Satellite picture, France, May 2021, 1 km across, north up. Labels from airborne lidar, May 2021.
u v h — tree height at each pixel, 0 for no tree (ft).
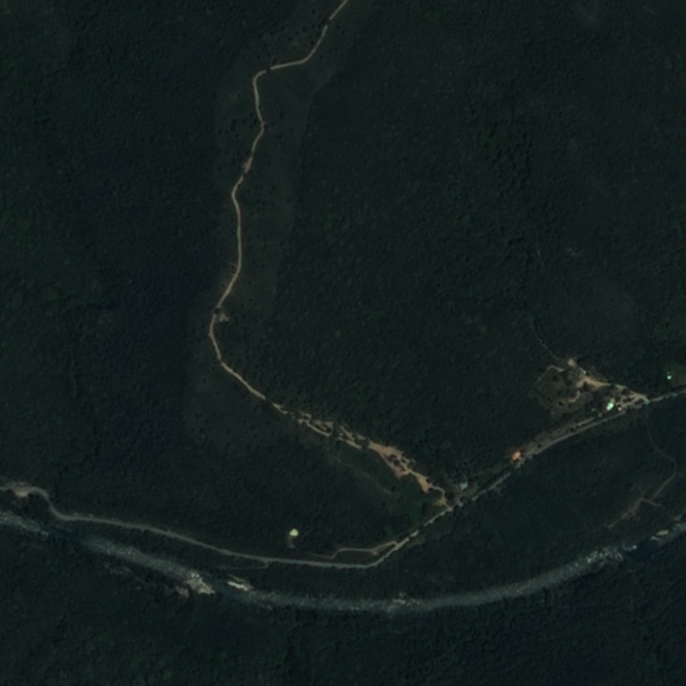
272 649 19
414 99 20
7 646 57
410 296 22
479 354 27
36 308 43
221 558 34
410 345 35
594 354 25
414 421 40
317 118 20
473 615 46
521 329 21
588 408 44
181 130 20
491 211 38
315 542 23
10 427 24
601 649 36
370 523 25
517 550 20
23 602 35
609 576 26
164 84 19
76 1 60
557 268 28
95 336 30
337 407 31
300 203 22
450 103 18
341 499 25
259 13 18
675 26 33
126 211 28
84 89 23
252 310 0
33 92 42
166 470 32
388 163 26
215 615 18
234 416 0
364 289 23
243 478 25
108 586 36
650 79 25
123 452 22
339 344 20
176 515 36
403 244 33
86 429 49
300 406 29
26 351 25
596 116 22
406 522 34
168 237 23
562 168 20
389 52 22
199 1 21
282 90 0
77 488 29
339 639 24
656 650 32
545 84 22
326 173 20
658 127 19
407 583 31
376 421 41
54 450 31
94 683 42
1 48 30
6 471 30
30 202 24
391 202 31
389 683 28
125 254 17
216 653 21
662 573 24
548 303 23
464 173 23
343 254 22
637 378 22
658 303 36
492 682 28
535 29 27
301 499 26
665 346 28
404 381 26
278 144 24
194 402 0
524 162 27
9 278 51
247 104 0
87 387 24
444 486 24
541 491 18
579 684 36
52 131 64
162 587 48
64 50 24
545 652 36
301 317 28
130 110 23
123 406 30
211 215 28
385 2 24
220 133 26
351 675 37
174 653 24
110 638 28
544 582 0
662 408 29
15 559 24
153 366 21
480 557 20
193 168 23
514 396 23
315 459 17
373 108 26
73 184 47
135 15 21
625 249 34
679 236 39
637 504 0
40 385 34
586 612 27
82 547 62
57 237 25
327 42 0
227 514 32
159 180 23
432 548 28
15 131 47
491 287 48
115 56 52
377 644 32
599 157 19
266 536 41
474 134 42
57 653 45
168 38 21
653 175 30
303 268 25
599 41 20
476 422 28
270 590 52
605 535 21
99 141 25
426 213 39
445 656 36
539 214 48
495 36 32
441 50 19
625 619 20
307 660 23
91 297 24
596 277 21
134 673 26
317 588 20
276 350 33
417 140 34
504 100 55
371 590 28
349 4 0
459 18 33
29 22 25
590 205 19
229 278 0
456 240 39
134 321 22
